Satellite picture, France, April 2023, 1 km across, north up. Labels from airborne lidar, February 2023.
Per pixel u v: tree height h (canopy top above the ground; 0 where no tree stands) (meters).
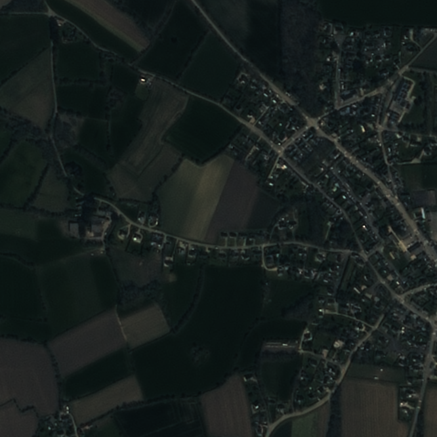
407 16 0
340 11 0
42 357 0
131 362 6
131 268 0
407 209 7
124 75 0
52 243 0
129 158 0
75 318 0
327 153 14
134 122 0
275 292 0
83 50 0
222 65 0
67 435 9
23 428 0
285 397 0
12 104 0
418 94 0
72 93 0
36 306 0
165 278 0
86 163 0
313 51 16
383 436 0
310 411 0
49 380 0
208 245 0
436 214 0
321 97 13
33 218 0
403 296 0
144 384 0
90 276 0
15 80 0
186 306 0
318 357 0
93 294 0
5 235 0
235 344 0
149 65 0
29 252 0
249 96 8
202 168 0
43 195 0
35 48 0
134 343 0
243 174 0
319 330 12
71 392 0
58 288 0
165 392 0
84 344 0
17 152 0
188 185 0
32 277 0
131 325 0
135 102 0
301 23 21
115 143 0
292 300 0
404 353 0
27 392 0
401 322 0
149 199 0
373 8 0
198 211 0
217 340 0
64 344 0
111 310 0
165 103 0
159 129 0
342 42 0
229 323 0
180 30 0
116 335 0
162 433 0
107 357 0
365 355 11
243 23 0
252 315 0
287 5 19
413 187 0
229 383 0
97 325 0
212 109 0
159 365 0
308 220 12
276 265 12
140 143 0
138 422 0
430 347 0
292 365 0
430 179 0
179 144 0
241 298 0
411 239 0
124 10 12
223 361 0
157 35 11
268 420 0
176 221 0
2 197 0
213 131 0
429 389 0
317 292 8
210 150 0
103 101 0
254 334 0
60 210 0
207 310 0
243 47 0
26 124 13
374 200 9
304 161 15
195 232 0
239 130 9
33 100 0
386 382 0
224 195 0
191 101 0
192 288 0
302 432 0
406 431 0
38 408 0
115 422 0
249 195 0
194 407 0
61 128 12
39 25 0
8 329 0
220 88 0
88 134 0
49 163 10
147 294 6
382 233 13
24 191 0
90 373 0
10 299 0
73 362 0
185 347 0
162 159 0
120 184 0
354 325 9
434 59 0
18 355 0
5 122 0
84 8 0
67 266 0
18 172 0
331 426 14
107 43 0
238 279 0
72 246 0
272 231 11
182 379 0
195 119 0
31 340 12
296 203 19
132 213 0
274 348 0
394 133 0
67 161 0
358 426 0
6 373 0
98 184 0
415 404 0
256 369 12
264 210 0
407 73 0
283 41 17
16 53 0
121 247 0
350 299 10
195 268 0
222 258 0
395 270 0
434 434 0
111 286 0
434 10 0
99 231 0
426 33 0
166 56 0
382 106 10
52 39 16
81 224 15
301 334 0
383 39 0
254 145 0
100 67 7
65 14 0
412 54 0
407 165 0
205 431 0
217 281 0
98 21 0
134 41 0
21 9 19
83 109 0
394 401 0
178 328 7
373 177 0
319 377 7
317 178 6
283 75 17
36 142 10
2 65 0
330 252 0
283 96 0
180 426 0
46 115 0
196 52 6
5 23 0
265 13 0
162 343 0
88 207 13
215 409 0
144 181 0
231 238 0
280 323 0
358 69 21
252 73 12
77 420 0
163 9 0
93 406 0
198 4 0
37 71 0
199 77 0
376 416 0
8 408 0
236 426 0
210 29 10
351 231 12
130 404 7
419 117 0
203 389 0
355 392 0
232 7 0
